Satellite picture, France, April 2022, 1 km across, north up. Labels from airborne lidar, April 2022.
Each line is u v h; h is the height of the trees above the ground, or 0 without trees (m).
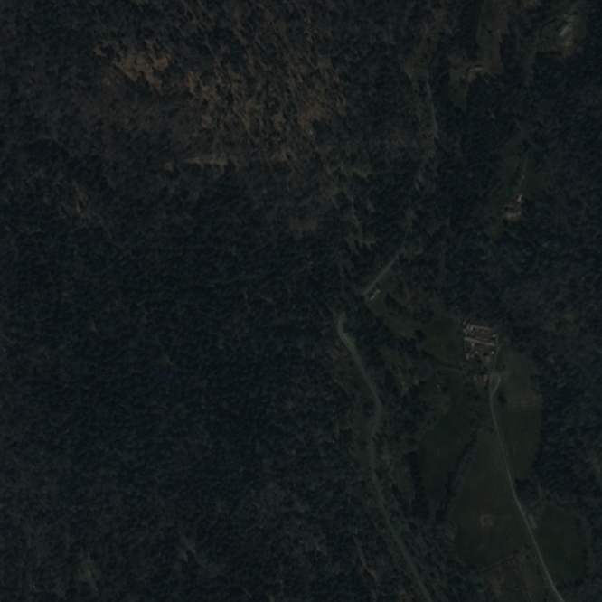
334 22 26
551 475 22
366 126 33
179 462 35
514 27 23
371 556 28
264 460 32
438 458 0
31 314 40
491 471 0
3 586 29
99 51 0
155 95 24
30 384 35
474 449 12
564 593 14
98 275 27
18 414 34
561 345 30
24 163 29
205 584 25
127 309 28
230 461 31
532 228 10
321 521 40
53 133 28
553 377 28
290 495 36
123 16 25
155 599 30
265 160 30
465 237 27
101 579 16
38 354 33
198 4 25
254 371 38
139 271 24
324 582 18
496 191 10
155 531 31
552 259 24
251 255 39
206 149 31
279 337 28
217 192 29
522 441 0
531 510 24
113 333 29
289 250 29
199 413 29
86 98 30
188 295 28
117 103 30
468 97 0
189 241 31
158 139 28
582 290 27
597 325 30
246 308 33
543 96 27
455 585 15
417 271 24
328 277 40
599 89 28
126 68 0
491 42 0
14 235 25
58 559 29
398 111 28
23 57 28
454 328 0
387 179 34
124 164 32
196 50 28
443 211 26
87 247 30
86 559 29
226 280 24
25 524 24
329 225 32
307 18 29
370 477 7
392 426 23
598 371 28
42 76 29
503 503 0
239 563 28
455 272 28
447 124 32
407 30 27
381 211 41
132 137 30
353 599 32
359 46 33
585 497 34
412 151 29
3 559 29
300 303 31
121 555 30
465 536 0
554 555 0
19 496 35
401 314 8
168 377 35
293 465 34
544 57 7
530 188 0
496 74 0
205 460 29
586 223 33
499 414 0
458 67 6
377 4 33
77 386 24
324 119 0
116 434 31
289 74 32
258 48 34
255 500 29
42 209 24
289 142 29
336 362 33
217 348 28
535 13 24
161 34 24
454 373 0
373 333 21
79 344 37
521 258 27
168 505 28
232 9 34
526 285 30
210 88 27
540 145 23
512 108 22
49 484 38
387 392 29
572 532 0
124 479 35
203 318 26
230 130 29
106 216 28
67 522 20
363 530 42
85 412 31
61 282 30
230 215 26
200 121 32
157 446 28
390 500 28
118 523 24
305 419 31
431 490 0
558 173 17
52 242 19
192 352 31
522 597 7
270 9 31
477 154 24
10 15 31
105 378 22
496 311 18
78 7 11
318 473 40
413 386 0
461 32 24
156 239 31
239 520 25
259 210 22
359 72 38
